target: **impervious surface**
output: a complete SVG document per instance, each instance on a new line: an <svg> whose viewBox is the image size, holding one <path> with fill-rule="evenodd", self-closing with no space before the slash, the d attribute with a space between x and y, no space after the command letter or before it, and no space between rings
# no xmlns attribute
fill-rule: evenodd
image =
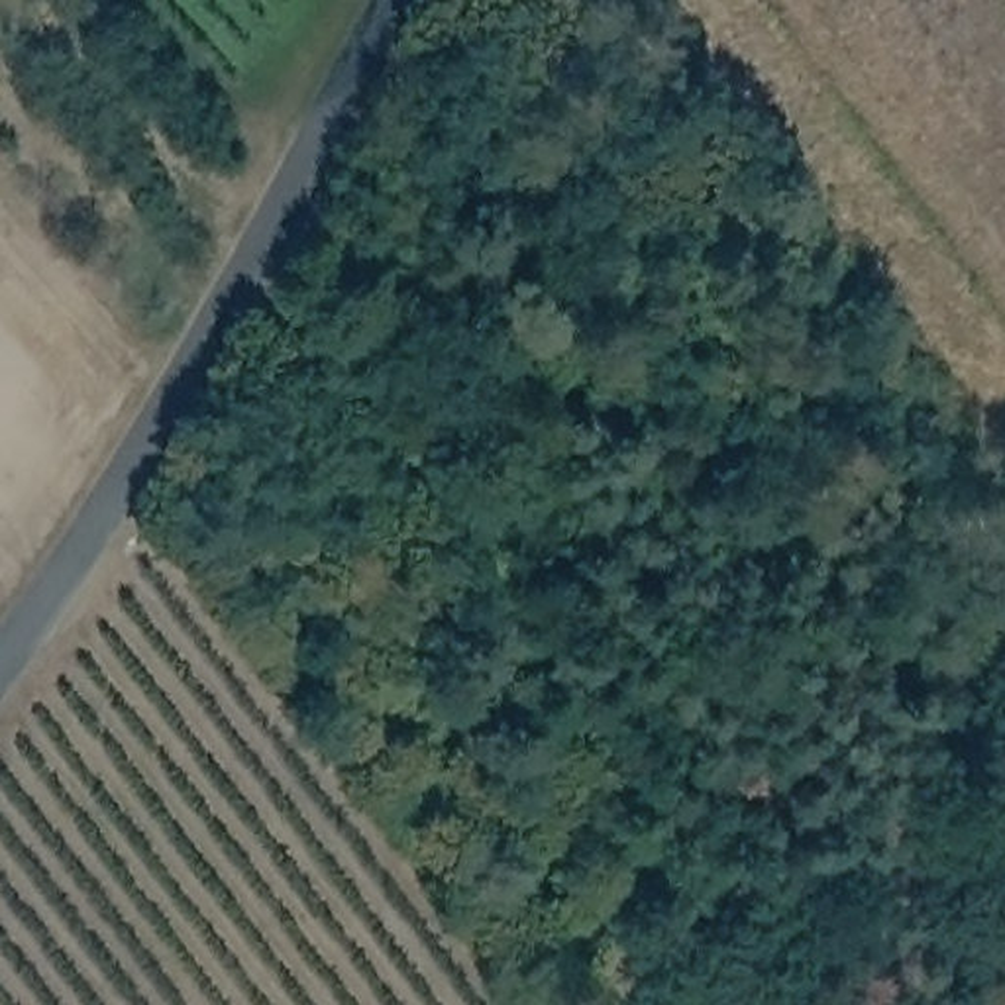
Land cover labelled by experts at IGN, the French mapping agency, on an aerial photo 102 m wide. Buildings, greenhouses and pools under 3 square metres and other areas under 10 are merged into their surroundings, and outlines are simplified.
<svg viewBox="0 0 1005 1005"><path fill-rule="evenodd" d="M118 455L110 459L94 491L82 499L79 518L59 538L39 577L24 589L20 608L0 608L0 687L27 667L47 628L59 620L90 565L102 557L106 542L133 518L141 514L145 487L165 467L165 451L177 428L200 412L208 397L208 369L224 357L228 330L251 310L271 306L267 294L275 287L294 291L298 259L326 243L330 232L322 228L322 216L330 212L334 177L342 173L353 149L365 145L361 130L373 122L385 82L397 79L393 47L400 43L408 8L416 0L369 0L349 47L342 51L318 94L314 118L291 145L275 185L267 188L247 236L232 255L228 275L220 279L212 302L200 310L188 342L181 345L177 365L161 385L161 400L153 400L137 416Z"/></svg>

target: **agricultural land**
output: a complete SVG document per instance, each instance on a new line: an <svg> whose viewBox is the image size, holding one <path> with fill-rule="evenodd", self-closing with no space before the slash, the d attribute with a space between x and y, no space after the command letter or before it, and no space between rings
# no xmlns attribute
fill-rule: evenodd
<svg viewBox="0 0 1005 1005"><path fill-rule="evenodd" d="M16 67L35 67L39 51L71 51L71 39L63 27L20 27L0 12L0 608L20 608L24 589L39 577L59 538L79 518L82 499L94 491L110 459L118 455L137 416L153 400L161 400L161 385L177 365L181 345L188 342L200 310L212 302L220 279L228 275L232 255L247 236L267 188L275 185L291 145L314 118L318 94L342 51L349 47L369 0L145 0L157 24L177 35L173 43L157 47L153 63L169 71L181 59L196 63L196 94L216 98L220 90L228 90L239 137L247 145L243 169L232 177L220 173L208 188L216 196L216 212L208 224L216 247L208 251L204 267L185 267L169 259L133 212L130 192L94 181L86 173L82 153L71 149L63 133L55 133L24 110L16 94ZM102 239L82 267L67 259L43 236L39 224L47 212L67 212L67 204L79 196L94 200L102 212Z"/></svg>
<svg viewBox="0 0 1005 1005"><path fill-rule="evenodd" d="M919 322L926 349L934 349L950 365L950 373L966 381L974 397L1005 400L1005 0L679 0L683 12L703 20L711 51L738 55L769 86L773 102L785 110L785 122L797 130L809 173L820 185L836 185L836 228L860 232L887 259L887 275L895 279L895 291Z"/></svg>

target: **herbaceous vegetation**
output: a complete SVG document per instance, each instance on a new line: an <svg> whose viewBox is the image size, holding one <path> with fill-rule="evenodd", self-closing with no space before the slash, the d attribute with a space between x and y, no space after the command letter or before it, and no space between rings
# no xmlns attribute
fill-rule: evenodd
<svg viewBox="0 0 1005 1005"><path fill-rule="evenodd" d="M130 946L118 938L118 930L98 915L90 895L75 883L63 860L20 813L20 805L8 805L0 813L0 820L43 860L51 879L79 907L82 923L106 942L106 950L133 978L137 993L149 1005L169 1005L141 970L141 962L130 954Z"/></svg>
<svg viewBox="0 0 1005 1005"><path fill-rule="evenodd" d="M345 989L361 1005L381 1005L369 981L349 962L349 954L310 915L302 895L287 883L287 875L275 868L275 860L243 824L243 817L224 801L224 793L212 785L212 777L200 769L188 746L173 734L161 711L145 699L145 691L110 652L106 640L118 632L149 667L149 675L169 691L169 699L196 730L196 738L232 773L232 781L255 805L275 840L287 844L294 864L310 875L314 891L330 903L338 923L369 954L377 974L393 985L393 993L404 1005L424 1005L416 989L404 981L404 974L393 966L393 958L381 950L381 942L369 934L369 926L353 915L345 895L330 883L326 868L310 856L302 836L275 809L267 789L251 777L251 769L236 758L228 738L212 726L204 707L185 691L177 671L126 616L122 605L133 597L145 605L145 612L169 636L169 644L192 663L196 679L216 695L236 730L279 777L298 813L338 856L338 864L361 887L365 903L381 915L381 923L393 930L393 938L404 946L404 954L416 962L416 970L428 978L432 993L444 1005L463 1005L448 974L424 950L416 930L397 915L397 907L385 899L377 879L357 860L357 852L345 844L345 836L322 817L322 809L310 801L291 766L271 746L271 738L243 714L220 671L200 656L200 648L157 597L157 589L141 577L137 565L149 561L149 554L137 554L141 538L133 518L106 542L102 557L90 565L59 620L47 628L27 667L0 687L0 766L35 797L35 805L63 832L75 856L106 887L122 919L157 954L161 970L177 981L188 1005L208 1005L208 997L196 989L196 981L153 930L153 923L133 907L133 899L98 860L79 824L35 777L35 769L20 754L20 734L27 734L39 746L39 754L59 773L67 793L94 817L110 848L133 872L137 887L165 911L173 930L185 938L192 958L208 970L208 978L232 1005L251 1005L247 993L220 966L220 958L208 950L200 930L173 903L173 895L153 879L137 848L122 836L110 813L94 801L94 793L79 781L59 746L47 738L43 726L55 718L63 722L67 738L86 758L86 766L106 781L118 805L149 836L149 844L177 875L177 883L188 891L188 899L212 919L212 926L243 962L251 981L275 1005L294 1005L279 978L263 966L255 946L228 919L220 899L196 879L196 872L173 848L173 840L145 809L145 801L118 773L102 742L90 738L90 730L67 707L63 695L71 687L79 687L79 695L98 711L106 730L126 746L133 766L161 793L169 813L185 824L192 844L208 856L208 864L236 891L243 911L259 923L275 954L291 966L291 974L306 985L306 993L318 1005L338 1005L330 985L291 946L279 919L251 891L243 872L228 860L228 852L216 844L216 836L204 828L192 805L177 793L157 758L137 742L137 734L122 722L110 699L90 683L86 667L94 663L145 718L145 726L173 754L173 762L188 773L208 809L247 848L259 875L291 907L302 934L342 974Z"/></svg>
<svg viewBox="0 0 1005 1005"><path fill-rule="evenodd" d="M35 934L27 934L20 950L35 962L35 970L63 1005L82 1005L35 942Z"/></svg>
<svg viewBox="0 0 1005 1005"><path fill-rule="evenodd" d="M0 879L35 907L55 942L71 954L79 974L94 985L94 993L106 1005L126 1005L114 981L102 974L102 966L90 958L90 950L71 934L63 915L24 872L24 864L12 856L0 860Z"/></svg>

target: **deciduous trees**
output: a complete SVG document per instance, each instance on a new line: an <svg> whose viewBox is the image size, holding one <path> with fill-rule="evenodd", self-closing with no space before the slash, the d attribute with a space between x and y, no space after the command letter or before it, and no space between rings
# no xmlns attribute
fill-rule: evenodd
<svg viewBox="0 0 1005 1005"><path fill-rule="evenodd" d="M310 801L322 809L322 817L345 836L345 844L357 852L357 860L377 879L385 899L397 907L397 915L416 930L424 950L448 974L463 1005L1005 1005L1005 400L974 397L966 381L950 373L950 365L934 349L926 349L919 322L895 291L895 279L887 275L887 259L860 232L836 228L836 185L820 185L809 173L797 130L785 122L785 110L773 102L769 86L738 55L711 51L703 20L683 12L679 0L416 0L408 8L400 43L393 47L397 79L385 82L373 122L361 130L365 145L353 149L342 173L334 177L330 212L322 216L322 228L330 232L326 243L298 259L294 291L275 287L267 294L271 306L251 310L228 330L224 357L208 369L208 397L200 412L177 428L165 451L165 467L145 487L141 514L133 518L141 538L137 554L149 554L149 561L137 565L141 577L157 589L157 597L200 648L200 656L220 671L243 714L271 738L271 746L291 766Z"/></svg>
<svg viewBox="0 0 1005 1005"><path fill-rule="evenodd" d="M51 879L43 860L0 820L0 860L12 856L24 864L24 872L63 915L71 934L90 950L90 958L102 966L102 974L114 981L126 1005L149 1005L137 993L133 978L106 950L106 942L82 923L79 907Z"/></svg>
<svg viewBox="0 0 1005 1005"><path fill-rule="evenodd" d="M259 923L243 911L236 891L208 864L208 856L192 844L185 824L169 813L161 793L133 766L126 746L106 730L98 711L79 695L79 687L71 687L63 695L67 707L90 730L90 738L102 742L118 773L145 801L145 809L173 840L173 848L196 872L196 879L220 899L228 919L255 946L263 966L279 978L294 1005L318 1005L306 993L306 985L291 974L291 966L275 954Z"/></svg>
<svg viewBox="0 0 1005 1005"><path fill-rule="evenodd" d="M208 978L208 970L192 958L185 938L173 930L165 911L137 887L133 872L110 848L94 817L67 793L59 773L39 754L39 746L27 734L20 734L20 754L35 769L35 777L79 824L98 860L133 899L133 907L153 923L153 930L196 981L196 989L208 997L208 1005L232 1005Z"/></svg>
<svg viewBox="0 0 1005 1005"><path fill-rule="evenodd" d="M55 718L43 726L47 738L59 746L79 781L94 793L94 801L110 813L122 836L137 848L153 879L173 895L173 903L200 930L208 950L220 958L220 966L247 993L251 1005L275 1005L251 981L243 962L212 926L212 919L188 899L188 891L177 883L177 875L149 844L149 836L118 805L106 781L86 766L86 758L67 738L63 722Z"/></svg>
<svg viewBox="0 0 1005 1005"><path fill-rule="evenodd" d="M79 974L71 954L55 942L35 907L0 879L0 1005L63 1005L35 970L35 962L20 950L27 934L35 934L35 942L82 1005L106 1005L94 993L94 985Z"/></svg>
<svg viewBox="0 0 1005 1005"><path fill-rule="evenodd" d="M102 239L102 212L94 200L79 196L67 204L67 212L47 212L39 224L43 236L67 259L82 267Z"/></svg>
<svg viewBox="0 0 1005 1005"><path fill-rule="evenodd" d="M169 259L185 267L204 267L208 251L216 247L208 224L216 212L216 196L208 188L220 173L232 177L243 169L247 145L239 137L228 90L220 90L216 98L196 94L196 63L181 59L169 71L153 63L157 47L173 43L177 35L157 24L145 0L0 0L0 12L20 27L63 27L71 39L71 51L39 51L35 67L16 67L16 94L24 110L55 133L63 133L71 149L82 153L86 173L94 181L130 192L133 212Z"/></svg>
<svg viewBox="0 0 1005 1005"><path fill-rule="evenodd" d="M381 942L381 950L393 958L393 966L404 974L404 981L416 989L424 1005L444 1005L432 993L428 978L416 970L416 962L404 954L404 946L393 938L393 930L381 923L381 915L365 903L361 887L338 864L338 856L298 813L279 777L236 730L216 695L196 679L192 663L169 644L169 636L145 612L145 605L133 597L122 605L126 616L177 671L185 691L204 707L212 726L228 738L236 758L251 769L251 777L267 789L275 809L302 836L310 856L326 868L330 883L345 895L353 915L369 926L369 934Z"/></svg>
<svg viewBox="0 0 1005 1005"><path fill-rule="evenodd" d="M141 970L169 1005L188 1005L177 981L161 970L157 954L122 919L106 887L75 856L63 832L35 805L35 797L0 766L0 813L8 805L20 805L20 813L63 860L75 883L90 895L98 915L118 930L118 938L130 946L130 954L141 962Z"/></svg>
<svg viewBox="0 0 1005 1005"><path fill-rule="evenodd" d="M145 691L145 699L161 711L173 734L188 746L200 769L212 777L212 785L224 793L224 801L243 817L243 824L275 860L275 868L287 875L287 883L302 895L310 915L349 954L349 962L369 981L381 1005L404 1005L393 993L393 985L377 974L369 954L338 923L330 903L314 891L310 875L294 864L287 844L275 840L255 805L232 781L232 773L196 738L196 730L169 699L169 691L149 675L149 667L118 632L106 640L110 652Z"/></svg>
<svg viewBox="0 0 1005 1005"><path fill-rule="evenodd" d="M302 934L291 907L259 875L247 848L208 809L188 773L173 762L173 754L145 726L145 718L94 663L86 667L90 683L110 699L122 722L137 734L137 742L157 758L177 793L192 805L204 828L216 836L216 844L228 852L228 860L243 872L251 891L279 919L291 946L330 985L338 1005L361 1005L345 989L342 974Z"/></svg>

